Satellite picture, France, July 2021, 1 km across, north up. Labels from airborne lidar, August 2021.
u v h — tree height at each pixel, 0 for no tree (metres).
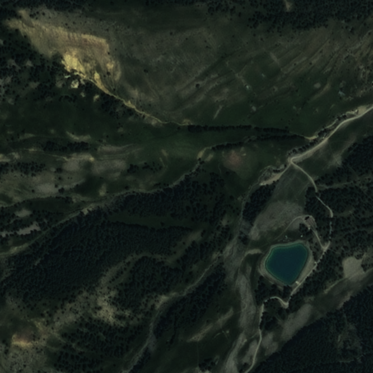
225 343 0
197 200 14
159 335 13
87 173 0
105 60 0
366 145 15
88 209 0
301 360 30
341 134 0
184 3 11
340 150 0
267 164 0
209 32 0
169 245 19
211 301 11
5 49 12
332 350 23
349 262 0
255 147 0
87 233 24
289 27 0
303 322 0
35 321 0
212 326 0
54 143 13
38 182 0
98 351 15
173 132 0
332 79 0
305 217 0
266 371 23
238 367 0
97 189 0
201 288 14
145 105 0
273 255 0
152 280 21
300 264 0
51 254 22
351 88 0
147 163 8
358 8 14
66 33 0
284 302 0
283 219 0
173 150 0
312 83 0
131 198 23
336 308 0
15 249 0
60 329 0
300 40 0
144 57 0
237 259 0
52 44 0
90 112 0
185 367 0
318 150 0
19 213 0
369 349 20
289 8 0
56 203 0
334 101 0
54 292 21
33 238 16
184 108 0
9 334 0
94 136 0
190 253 27
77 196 0
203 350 0
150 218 0
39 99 7
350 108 0
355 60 0
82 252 27
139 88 0
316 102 0
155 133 0
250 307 0
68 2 13
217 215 15
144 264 25
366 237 0
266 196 9
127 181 0
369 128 0
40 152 0
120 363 0
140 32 0
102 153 0
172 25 0
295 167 0
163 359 0
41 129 0
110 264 12
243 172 0
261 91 0
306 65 0
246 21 0
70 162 0
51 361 0
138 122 0
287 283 0
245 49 0
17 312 0
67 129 0
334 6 10
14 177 0
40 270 21
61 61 0
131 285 22
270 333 0
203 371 15
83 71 0
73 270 24
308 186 0
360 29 0
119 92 0
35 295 14
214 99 0
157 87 0
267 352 0
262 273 0
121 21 0
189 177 8
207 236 0
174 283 28
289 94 0
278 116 0
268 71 0
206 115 0
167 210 19
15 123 0
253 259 0
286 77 0
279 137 19
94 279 13
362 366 23
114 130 0
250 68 0
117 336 19
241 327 0
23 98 0
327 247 0
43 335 0
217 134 0
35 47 0
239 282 0
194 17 0
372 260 0
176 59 0
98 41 0
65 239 25
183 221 0
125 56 0
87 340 19
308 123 0
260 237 0
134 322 0
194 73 0
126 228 23
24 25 0
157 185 11
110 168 0
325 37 0
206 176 0
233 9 11
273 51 0
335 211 7
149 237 24
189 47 0
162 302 0
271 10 13
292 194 0
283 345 0
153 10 0
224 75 0
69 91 0
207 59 0
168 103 0
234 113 0
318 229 12
